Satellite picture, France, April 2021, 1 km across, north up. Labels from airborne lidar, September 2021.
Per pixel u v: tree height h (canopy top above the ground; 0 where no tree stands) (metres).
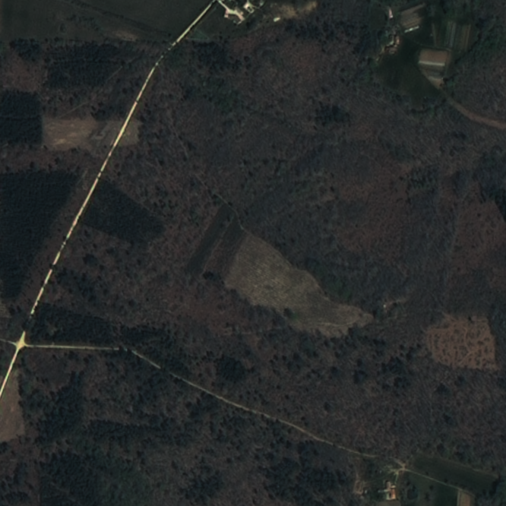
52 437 22
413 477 0
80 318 11
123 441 20
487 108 12
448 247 17
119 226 10
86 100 15
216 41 7
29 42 7
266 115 12
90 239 17
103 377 7
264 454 13
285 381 11
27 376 15
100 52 12
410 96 0
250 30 12
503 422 19
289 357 13
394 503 0
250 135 9
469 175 18
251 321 14
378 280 15
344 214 7
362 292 15
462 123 14
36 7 0
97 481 0
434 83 0
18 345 0
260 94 15
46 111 12
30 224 12
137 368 18
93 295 17
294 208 17
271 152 10
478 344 0
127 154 7
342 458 14
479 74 11
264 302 0
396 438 14
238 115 21
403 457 18
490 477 0
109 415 7
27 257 9
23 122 12
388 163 7
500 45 14
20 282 9
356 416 16
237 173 6
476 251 14
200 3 0
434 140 18
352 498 15
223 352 8
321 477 17
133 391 8
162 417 12
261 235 7
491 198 16
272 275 0
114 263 8
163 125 10
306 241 11
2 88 12
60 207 11
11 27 0
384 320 5
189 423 14
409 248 10
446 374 17
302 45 10
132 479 16
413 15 0
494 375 16
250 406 6
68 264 8
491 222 12
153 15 0
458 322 0
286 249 8
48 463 0
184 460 12
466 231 6
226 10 0
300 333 7
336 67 11
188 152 5
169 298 0
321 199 14
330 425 11
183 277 11
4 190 11
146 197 8
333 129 9
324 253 10
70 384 7
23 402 15
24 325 8
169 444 21
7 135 12
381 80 0
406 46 0
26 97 10
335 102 18
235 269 0
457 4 24
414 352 18
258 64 8
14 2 0
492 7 6
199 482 13
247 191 9
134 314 11
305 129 10
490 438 17
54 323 11
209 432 15
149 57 11
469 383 15
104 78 8
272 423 12
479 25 10
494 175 17
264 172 8
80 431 10
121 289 8
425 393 16
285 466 13
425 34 0
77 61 10
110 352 9
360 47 9
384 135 13
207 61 15
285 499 33
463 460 25
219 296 14
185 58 10
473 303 7
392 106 16
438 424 16
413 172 9
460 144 23
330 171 8
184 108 6
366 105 17
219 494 30
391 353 6
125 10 0
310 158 9
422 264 12
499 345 19
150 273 12
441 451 16
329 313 0
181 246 9
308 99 7
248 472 8
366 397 17
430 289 8
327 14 9
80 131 0
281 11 0
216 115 12
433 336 0
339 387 13
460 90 7
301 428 8
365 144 6
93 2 0
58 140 0
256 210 10
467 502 0
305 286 0
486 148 14
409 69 0
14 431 0
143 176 15
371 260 18
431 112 19
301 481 13
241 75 13
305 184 9
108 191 6
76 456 0
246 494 9
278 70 17
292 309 0
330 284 24
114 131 0
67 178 10
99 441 24
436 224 11
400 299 14
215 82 14
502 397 12
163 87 10
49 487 9
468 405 17
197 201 13
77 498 0
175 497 10
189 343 19
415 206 9
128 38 0
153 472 15
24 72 0
